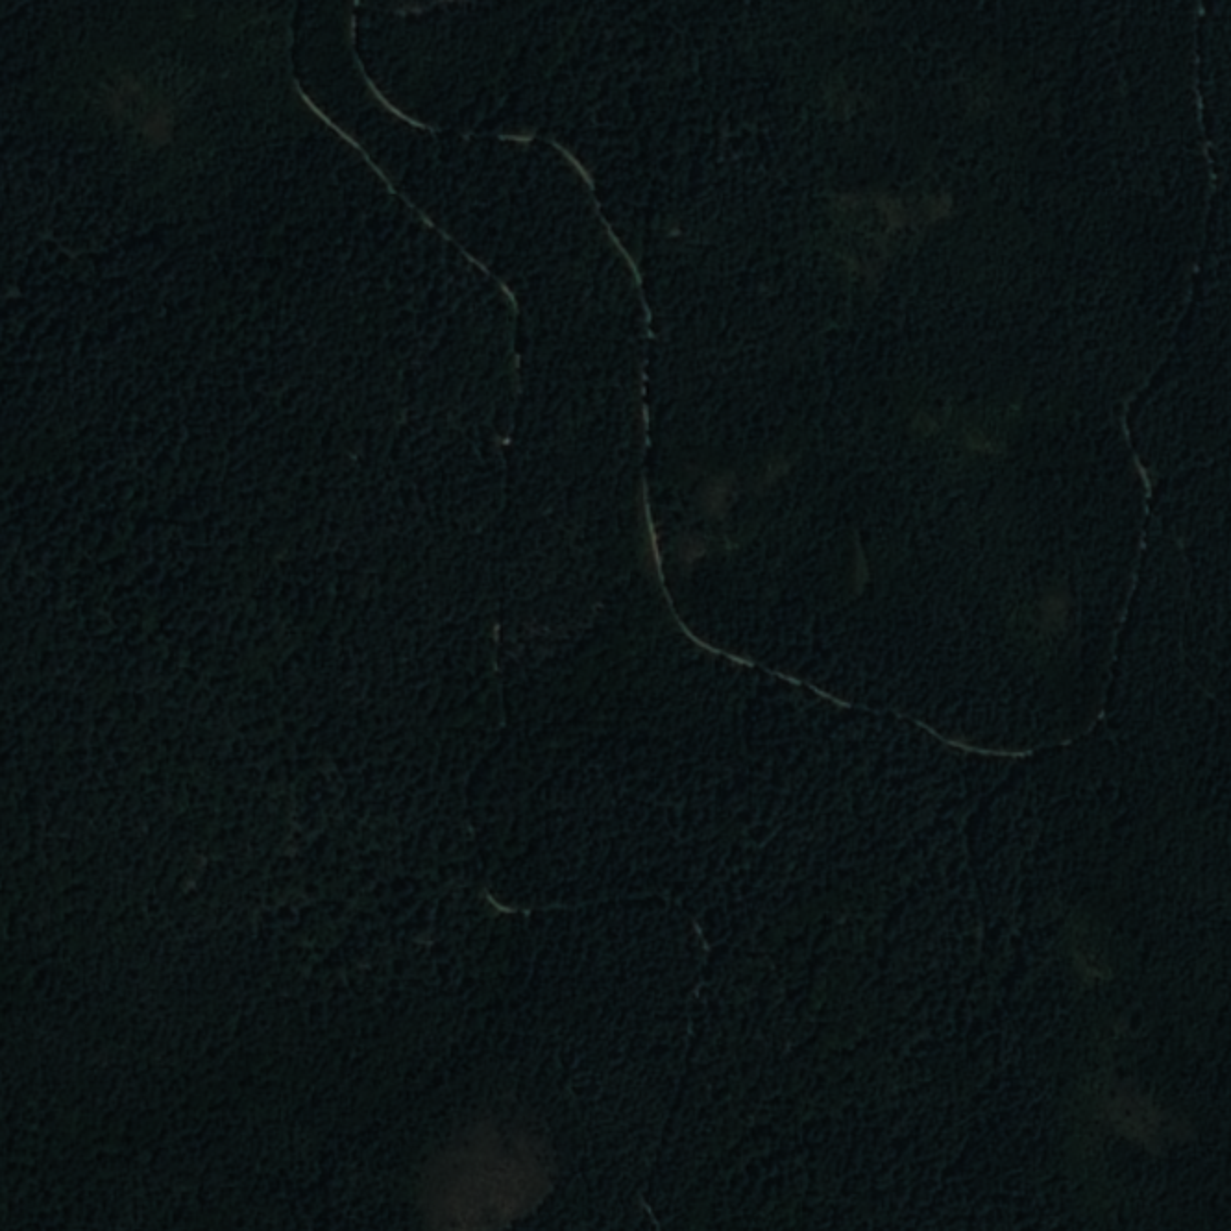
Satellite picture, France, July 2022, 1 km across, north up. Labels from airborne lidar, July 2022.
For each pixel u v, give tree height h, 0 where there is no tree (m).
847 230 7
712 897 18
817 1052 21
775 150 23
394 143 19
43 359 21
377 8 10
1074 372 15
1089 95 17
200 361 19
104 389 22
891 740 16
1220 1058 9
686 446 18
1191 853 16
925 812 19
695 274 19
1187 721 14
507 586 19
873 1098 21
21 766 13
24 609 17
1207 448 16
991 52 13
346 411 20
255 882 19
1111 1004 8
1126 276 23
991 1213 22
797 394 12
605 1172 19
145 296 19
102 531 11
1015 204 8
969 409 11
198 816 13
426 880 16
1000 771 16
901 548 13
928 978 16
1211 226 13
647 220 24
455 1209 0
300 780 11
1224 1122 12
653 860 22
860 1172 24
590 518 21
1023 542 17
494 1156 0
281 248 19
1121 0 19
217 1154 19
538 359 17
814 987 18
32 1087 19
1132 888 15
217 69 17
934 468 16
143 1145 21
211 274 21
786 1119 20
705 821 25
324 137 15
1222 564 16
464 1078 9
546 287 17
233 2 12
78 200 18
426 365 21
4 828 16
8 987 17
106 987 11
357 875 13
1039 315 16
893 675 22
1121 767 15
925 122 9
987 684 18
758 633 24
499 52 18
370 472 16
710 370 22
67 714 17
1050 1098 16
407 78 15
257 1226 19
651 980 20
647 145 21
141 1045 18
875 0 10
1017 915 24
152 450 21
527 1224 11
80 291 25
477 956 21
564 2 19
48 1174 17
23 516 25
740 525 9
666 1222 16
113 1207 22
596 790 25
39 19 19
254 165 21
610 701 23
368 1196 16
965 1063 16
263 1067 18
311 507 22
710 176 24
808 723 12
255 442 17
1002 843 26
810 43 12
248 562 22
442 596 19
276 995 17
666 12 17
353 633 21
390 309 23
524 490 20
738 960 22
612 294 20
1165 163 16
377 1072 20
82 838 15
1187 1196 11
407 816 22
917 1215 18
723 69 23
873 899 18
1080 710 12
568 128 11
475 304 13
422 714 24
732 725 18
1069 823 15
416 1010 17
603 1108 18
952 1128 20
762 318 23
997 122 9
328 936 8
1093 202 18
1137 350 20
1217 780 11
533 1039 17
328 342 19
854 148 12
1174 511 14
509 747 24
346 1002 19
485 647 22
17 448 24
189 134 9
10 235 22
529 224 20
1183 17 14
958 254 12
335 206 15
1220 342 17
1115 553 15
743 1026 23
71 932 13
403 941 16
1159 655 13
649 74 20
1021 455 9
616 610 16
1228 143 15
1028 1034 17
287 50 12
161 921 23
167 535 13
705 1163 13
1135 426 13
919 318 11
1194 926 18
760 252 22
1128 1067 8
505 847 16
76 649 13
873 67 9
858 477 19
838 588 8
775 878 22
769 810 22
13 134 22
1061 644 7
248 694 11
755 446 17
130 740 20
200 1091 19
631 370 14
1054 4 18
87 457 15
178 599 22
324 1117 18
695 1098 18
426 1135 17
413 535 15
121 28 12
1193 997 19
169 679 19
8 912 7
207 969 18
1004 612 11
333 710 21
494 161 17
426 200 22
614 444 20
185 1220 21
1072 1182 14
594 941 13
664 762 23
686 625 15
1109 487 15
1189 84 15
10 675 17
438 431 22
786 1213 15
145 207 20
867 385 14
